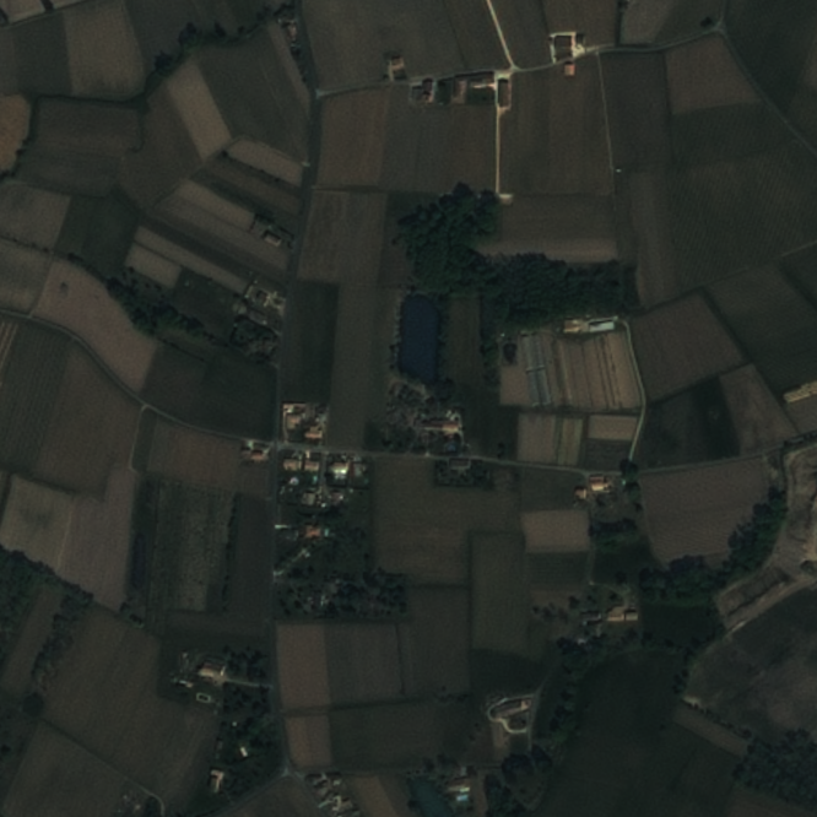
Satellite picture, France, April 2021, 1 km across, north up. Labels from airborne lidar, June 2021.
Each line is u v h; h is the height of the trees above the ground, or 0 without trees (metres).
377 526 0
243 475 0
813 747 14
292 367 0
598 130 0
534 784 0
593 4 0
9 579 11
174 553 0
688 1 0
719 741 0
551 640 0
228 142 0
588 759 0
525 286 19
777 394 0
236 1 0
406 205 0
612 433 0
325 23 0
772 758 14
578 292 17
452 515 0
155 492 0
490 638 0
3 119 0
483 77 0
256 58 0
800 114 0
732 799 0
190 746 0
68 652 7
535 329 18
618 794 0
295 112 0
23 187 0
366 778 0
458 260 24
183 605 0
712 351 0
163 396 0
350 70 0
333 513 6
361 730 0
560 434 0
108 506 0
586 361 0
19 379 0
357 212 0
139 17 0
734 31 0
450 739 0
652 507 0
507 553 0
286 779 0
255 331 11
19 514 0
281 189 0
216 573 0
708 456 0
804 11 0
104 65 0
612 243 0
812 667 0
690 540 0
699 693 0
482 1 0
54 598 0
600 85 0
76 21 0
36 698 7
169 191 0
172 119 0
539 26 0
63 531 0
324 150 0
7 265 0
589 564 0
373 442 0
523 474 0
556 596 0
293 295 0
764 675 0
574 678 12
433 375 0
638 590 0
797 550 0
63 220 0
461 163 0
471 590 0
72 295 0
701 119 0
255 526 0
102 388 0
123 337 0
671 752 0
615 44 0
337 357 0
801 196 0
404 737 0
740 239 0
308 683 0
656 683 0
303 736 0
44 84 0
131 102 0
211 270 0
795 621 0
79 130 0
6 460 0
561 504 0
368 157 0
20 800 0
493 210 24
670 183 0
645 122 0
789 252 0
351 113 0
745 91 0
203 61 0
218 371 0
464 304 0
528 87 0
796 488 0
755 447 0
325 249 0
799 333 0
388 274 0
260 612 0
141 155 0
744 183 0
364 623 0
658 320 0
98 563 0
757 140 0
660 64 0
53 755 0
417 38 0
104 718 0
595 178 0
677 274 0
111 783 0
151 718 0
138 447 0
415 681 0
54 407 0
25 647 0
